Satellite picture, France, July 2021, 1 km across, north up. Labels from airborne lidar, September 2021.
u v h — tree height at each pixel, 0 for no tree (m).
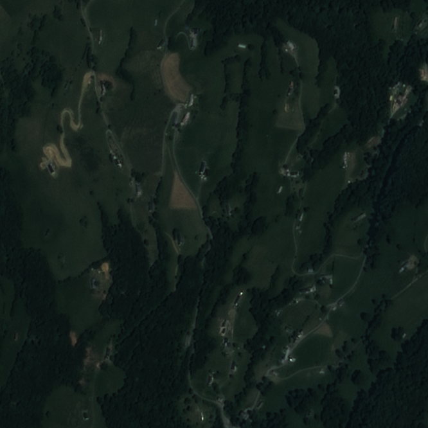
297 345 0
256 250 0
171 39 16
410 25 0
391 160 22
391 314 0
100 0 0
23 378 32
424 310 0
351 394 0
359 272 0
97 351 0
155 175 0
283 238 0
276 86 0
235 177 8
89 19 0
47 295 26
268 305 23
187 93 0
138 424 35
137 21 0
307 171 19
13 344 0
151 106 0
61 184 0
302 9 30
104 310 21
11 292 0
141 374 37
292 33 0
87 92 0
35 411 35
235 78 0
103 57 0
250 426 12
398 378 26
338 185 0
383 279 0
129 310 23
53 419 0
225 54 0
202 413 0
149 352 26
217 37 22
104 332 0
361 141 10
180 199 0
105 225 14
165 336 33
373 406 25
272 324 18
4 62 14
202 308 22
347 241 0
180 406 0
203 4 23
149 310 27
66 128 0
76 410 0
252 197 19
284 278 0
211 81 0
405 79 17
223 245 15
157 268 21
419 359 26
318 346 0
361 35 19
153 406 19
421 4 0
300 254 0
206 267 8
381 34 0
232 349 0
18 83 13
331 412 16
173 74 0
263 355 17
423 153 31
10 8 0
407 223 0
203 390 0
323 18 31
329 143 22
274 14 22
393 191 32
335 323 0
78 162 0
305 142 16
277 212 0
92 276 0
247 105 19
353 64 32
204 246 18
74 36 0
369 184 22
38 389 32
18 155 0
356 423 23
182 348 12
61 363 22
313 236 0
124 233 32
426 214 0
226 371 0
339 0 35
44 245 0
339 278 0
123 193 0
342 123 0
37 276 34
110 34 0
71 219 0
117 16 0
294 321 0
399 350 0
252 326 0
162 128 0
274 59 0
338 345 0
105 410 20
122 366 17
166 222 0
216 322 0
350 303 0
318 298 7
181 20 0
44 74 16
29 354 30
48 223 0
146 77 0
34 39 10
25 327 0
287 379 0
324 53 20
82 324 0
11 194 17
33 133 0
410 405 32
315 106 0
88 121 0
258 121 0
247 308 0
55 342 33
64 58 0
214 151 0
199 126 0
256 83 0
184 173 0
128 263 25
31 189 0
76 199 0
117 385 0
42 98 0
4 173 20
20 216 25
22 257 23
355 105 21
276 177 0
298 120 0
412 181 38
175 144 0
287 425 10
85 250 0
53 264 0
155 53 0
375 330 6
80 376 35
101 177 0
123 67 17
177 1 0
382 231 37
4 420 24
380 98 13
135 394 23
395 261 0
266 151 0
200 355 26
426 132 20
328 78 0
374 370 16
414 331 0
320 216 0
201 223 0
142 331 27
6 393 20
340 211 12
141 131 0
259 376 0
